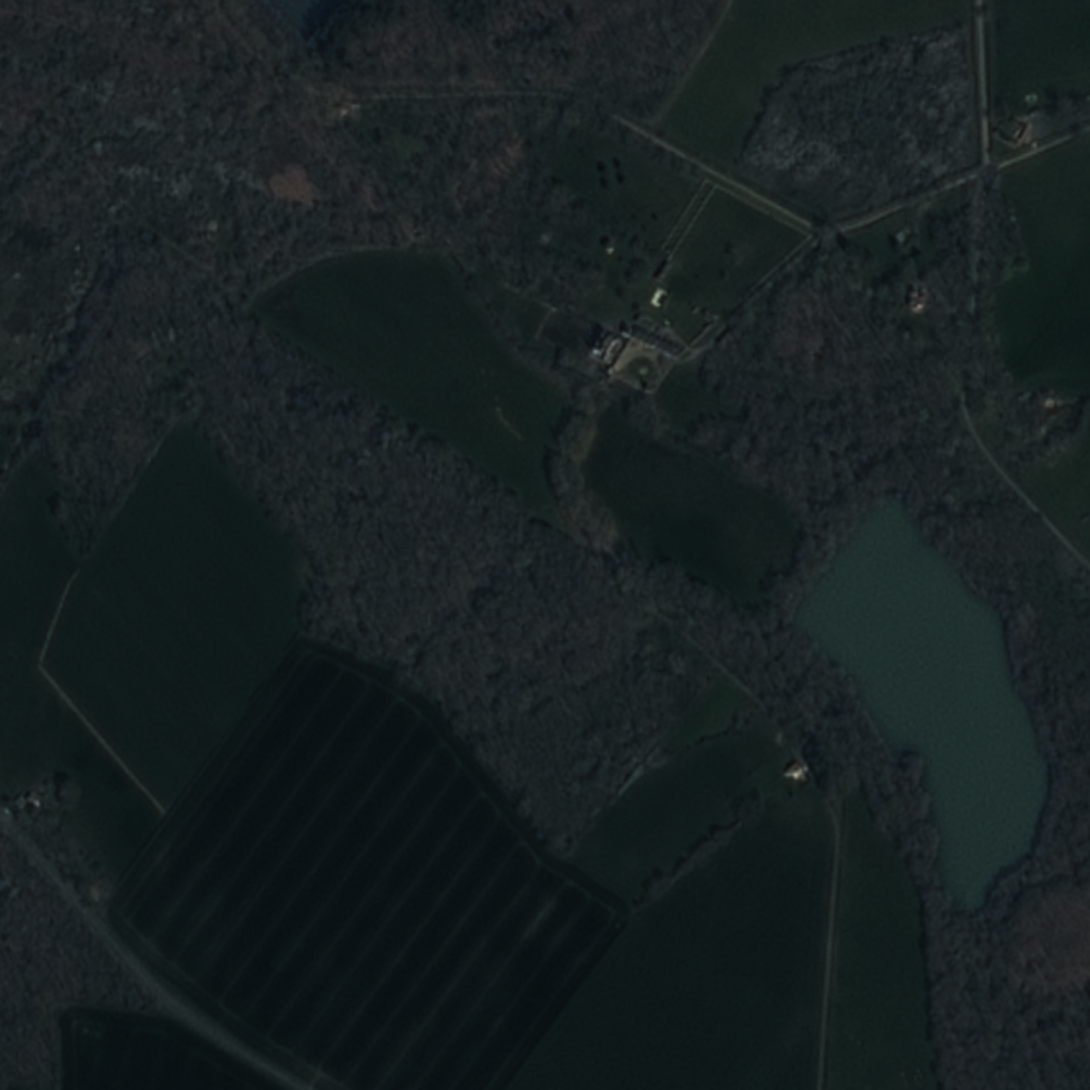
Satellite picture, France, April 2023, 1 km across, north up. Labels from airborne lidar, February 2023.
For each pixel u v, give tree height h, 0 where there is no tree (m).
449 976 0
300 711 0
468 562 28
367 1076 0
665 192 0
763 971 0
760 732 0
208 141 8
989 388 18
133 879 0
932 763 0
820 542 16
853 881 0
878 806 21
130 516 0
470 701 20
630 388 0
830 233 22
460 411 0
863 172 14
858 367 25
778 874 0
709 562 0
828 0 0
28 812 9
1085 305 0
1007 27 0
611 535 18
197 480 0
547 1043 0
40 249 6
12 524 0
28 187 14
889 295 17
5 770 0
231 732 0
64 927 17
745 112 0
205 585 0
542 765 14
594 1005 0
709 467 0
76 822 0
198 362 21
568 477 21
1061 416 0
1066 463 0
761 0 0
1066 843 16
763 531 0
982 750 0
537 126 15
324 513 24
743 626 21
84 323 14
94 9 18
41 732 0
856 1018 0
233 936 0
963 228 19
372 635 25
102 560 0
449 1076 0
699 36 17
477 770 0
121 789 0
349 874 0
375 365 0
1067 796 19
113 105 6
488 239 16
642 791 0
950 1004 18
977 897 0
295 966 0
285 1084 0
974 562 15
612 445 0
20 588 0
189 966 0
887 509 0
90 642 0
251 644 0
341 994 0
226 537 0
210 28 28
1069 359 0
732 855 0
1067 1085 20
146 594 0
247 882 0
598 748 13
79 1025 0
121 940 0
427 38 17
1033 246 0
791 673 23
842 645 0
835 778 20
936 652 0
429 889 0
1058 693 17
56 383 16
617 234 14
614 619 24
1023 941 19
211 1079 0
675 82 18
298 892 0
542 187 17
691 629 16
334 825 0
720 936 0
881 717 0
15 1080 19
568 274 24
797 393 23
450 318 0
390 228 16
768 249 0
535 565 22
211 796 0
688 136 0
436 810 0
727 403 15
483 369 0
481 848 0
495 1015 0
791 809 0
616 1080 0
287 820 0
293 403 20
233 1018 0
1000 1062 8
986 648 0
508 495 12
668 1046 0
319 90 30
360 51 9
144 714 0
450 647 20
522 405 0
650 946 0
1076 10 0
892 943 0
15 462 8
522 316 0
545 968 0
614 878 0
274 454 27
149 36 8
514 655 26
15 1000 23
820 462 21
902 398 25
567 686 16
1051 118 16
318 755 0
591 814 12
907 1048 0
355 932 0
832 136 18
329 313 0
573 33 13
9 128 9
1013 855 0
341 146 27
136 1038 0
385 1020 0
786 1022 0
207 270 6
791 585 19
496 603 22
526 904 0
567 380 14
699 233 0
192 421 22
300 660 0
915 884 13
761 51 0
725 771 0
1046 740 12
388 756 0
